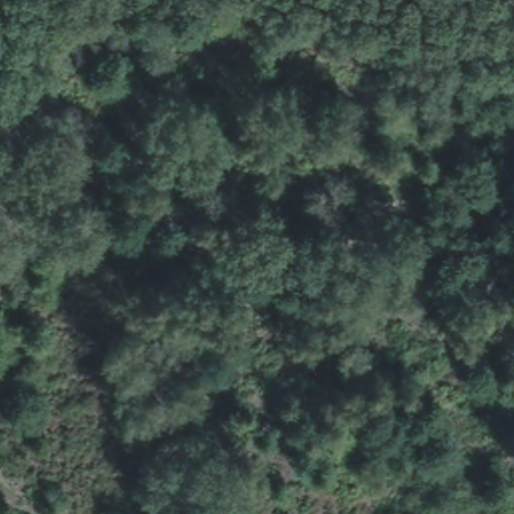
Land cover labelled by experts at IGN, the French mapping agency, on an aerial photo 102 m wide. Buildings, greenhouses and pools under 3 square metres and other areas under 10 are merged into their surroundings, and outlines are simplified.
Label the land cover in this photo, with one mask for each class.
<instances>
[{"label":"deciduous trees","instance_id":"1","mask_svg":"<svg viewBox=\"0 0 514 514\"><path fill-rule=\"evenodd\" d=\"M193 0H157L155 4L131 14L129 18L114 20V26L86 28L84 32L76 34L74 38L80 46L70 54V62L62 70L52 72V68L42 66L40 62H32V70L24 74L28 76V84H6V88L0 90V267L24 271L26 259H32L34 255L62 253L70 255L76 261V265L80 267L78 271L90 273L100 263L106 251L129 255V283L122 291V305L116 315V319L124 323L129 331L143 333V337L147 339L165 341L173 335L175 329H181L185 335H199L201 339L213 341L207 351H199L197 347L191 349V361L199 367V379L193 388L187 386L181 392L177 404L153 408L143 424L126 422L124 442H137L151 440L159 436L163 430L201 420L221 440L231 444L235 442L237 448H243L247 452V462L251 466L249 486L259 492L261 488L269 486L267 472H271L273 464L265 454V448L269 442V432L273 430L279 432L277 452L289 460L291 468L297 474L303 472L305 476H309L315 488L325 484L329 462H341L343 458L345 468L353 474L361 472L369 462L375 468H379L388 462V468L392 472H402L406 464L414 462L412 476H418L426 482H444L462 470L466 480L472 484V494L480 498V502H496L502 492L500 474L492 468V462L508 456L514 458V80L506 76H494L488 70H480V78L472 82L470 78L462 76L460 62L448 64L440 70H426L416 60L406 66H377L373 60L361 62L351 54H333L325 50L317 40L307 48L287 52L277 62L265 60L263 56L269 52L271 46H275L273 36L281 18H271L267 22L259 14L251 16L243 4L235 2L221 4V10L213 16L197 20L195 16H181V10L187 8V4ZM285 90H295L297 94L299 118H303L305 133L299 151L285 159V165L291 169L293 179L287 183L279 199H271L267 195L257 193L253 199L247 201L227 199L223 203L217 189L213 193L199 197H183L181 191H159L153 187L151 179H155L157 175L151 167L153 157L147 153V143L149 124L155 122V114L161 104H167L169 100L179 102V98L185 94L203 114L211 112L219 118L223 112L229 110L237 118L239 114H251L259 98L273 100L277 94H283ZM331 219H335L339 225H373L377 219L383 223H388L390 219H406L422 227L424 251L428 253V259L422 277L412 289V297L424 309V317L416 331H408L402 325V319H379L375 323V329L367 333L365 317L361 315L343 329L341 321L325 323L327 313H317L311 307L301 305L297 301H287L281 309L269 305L271 295L295 287V279L281 277V271L293 259V247L303 243L309 245L311 241H319L321 245H325L327 239L333 235L327 227ZM30 355L38 363V367L32 371L30 383L38 390V396L28 398L22 404V418L14 424L16 434L34 436L42 432L50 422L52 406L42 396L46 392L58 390L54 381H48V375L58 371V365L66 353L62 343L58 341V335L48 327H44L38 333L34 345H30L22 339L20 327H0V377L4 375L8 365H12L20 357Z\"/></svg>","mask_w":514,"mask_h":514},{"label":"coniferous trees","instance_id":"2","mask_svg":"<svg viewBox=\"0 0 514 514\"><path fill-rule=\"evenodd\" d=\"M157 0H0V90L6 88V84H28V76L24 74L32 70V62H40L42 66L52 68V72L62 70L70 62V54L80 46L74 38L76 34L84 32L86 28L114 26V20L129 18L131 14L155 4ZM235 2L243 4L251 16L259 14L267 22L271 18H281L273 36L275 46H271L269 52L263 56L265 60L277 62L287 52L307 48L317 40L325 50L333 54H351L361 62L373 60L377 66H406L416 60L426 70H440L448 64L460 62L462 76L470 78L472 82L480 78V70H488L494 76H506L514 80V0H193L187 4V8L181 10V16H195L197 20L213 16L221 10V4ZM305 133L303 118H299L297 94L295 90H285L283 94H277L273 100L259 98L251 114H239L237 118L229 110L223 112L219 118L211 112L203 114L185 94L179 98V102L169 100L167 104H161L155 114V122L149 124L147 143V153L153 157L151 167L157 175L155 179H151L153 187L159 191H181L183 197H199L213 193L217 189L223 203L227 199L247 201L253 199L257 193L267 195L271 199H279L287 183L293 179L291 169L285 165V159L299 151ZM327 227L333 235L327 239L325 245H321L319 241H311L309 245L303 243L293 247V259L281 271V277L295 279V287L271 295L269 305L281 309L287 301H297L301 305L311 307L317 313H327L325 323L341 321L343 329L361 315L365 317L367 333L375 329V323L379 319H402V325L408 331H416L424 317V309L412 297V289L422 277L428 259V253L424 251L422 227L406 219H390L388 223H383L377 219L373 225H339L335 219H331ZM106 335L98 339L94 355L106 363L102 371L106 379L116 386L114 418H122L126 422L143 424L153 408L177 404L181 392L187 386L193 388L199 379V367L191 361V349L197 347L199 351H207L213 341L201 339L199 335H185L181 329H175L173 335L165 341L147 339L143 337V333L129 331L124 323L116 319V315L106 317ZM137 442L141 444V448L133 456V484L129 486V494L149 514H247L255 508L259 492L249 486L251 466L247 462V452L243 448H237L235 442L231 444L221 440L201 420L163 430L159 436L151 440Z\"/></svg>","mask_w":514,"mask_h":514},{"label":"brushwood","instance_id":"3","mask_svg":"<svg viewBox=\"0 0 514 514\"><path fill-rule=\"evenodd\" d=\"M129 255L106 251L100 263L90 273L78 271L80 267L76 265V261L70 255L62 253L34 255L32 259H26L24 271L0 267V327H20L22 339L30 345H34L38 333L44 327H48L58 335V341L62 343L66 353L58 365V371L48 375V381H54L58 390L46 392L42 396L52 406L50 422L42 432L34 436L16 434L14 424L22 418V404L28 398L38 396V390L30 383L32 371L38 367V363L30 355L20 357L12 365H8L4 375L0 377V514H149L129 494V486L133 484V456L141 448V444L137 442H124L126 422L122 418H114L116 386L106 379L102 371L106 363L94 355L98 339L106 335V317L116 315L122 305V291L129 283ZM279 432L273 430L269 432V442L265 448V454L273 464L271 472H267L269 486L261 488L259 492L255 508L247 514H514V458L508 456L492 462V468L500 474L502 492L496 502H480V498L472 494V484L466 480L462 470L444 482H426L418 476H412L414 462L406 464L402 472H392L388 468V462L379 468H375L369 462L361 472L353 474L345 468L343 458L341 462H329L325 484L315 488L309 476H305L303 472L297 474L291 468L289 460L277 452Z\"/></svg>","mask_w":514,"mask_h":514}]
</instances>
